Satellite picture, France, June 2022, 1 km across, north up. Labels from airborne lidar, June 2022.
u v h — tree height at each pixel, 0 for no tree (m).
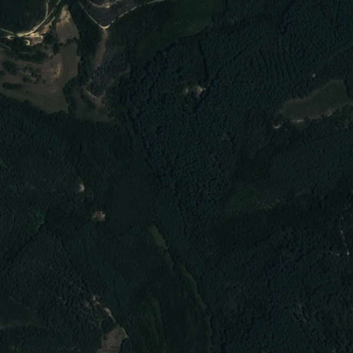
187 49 33
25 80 13
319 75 16
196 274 22
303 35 24
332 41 28
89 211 19
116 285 34
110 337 0
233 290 25
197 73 6
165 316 16
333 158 31
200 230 22
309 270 29
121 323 12
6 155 20
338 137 29
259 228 24
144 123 36
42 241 25
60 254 24
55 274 21
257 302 19
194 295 22
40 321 0
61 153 34
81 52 19
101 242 34
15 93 0
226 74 34
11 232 15
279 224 24
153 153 32
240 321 7
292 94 28
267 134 8
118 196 26
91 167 25
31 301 25
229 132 31
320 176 32
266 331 34
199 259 25
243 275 25
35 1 16
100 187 21
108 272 26
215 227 16
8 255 24
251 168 16
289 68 29
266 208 7
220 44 36
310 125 7
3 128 25
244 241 23
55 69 0
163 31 16
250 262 30
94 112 0
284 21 19
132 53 21
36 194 24
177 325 16
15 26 10
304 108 0
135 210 27
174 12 14
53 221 20
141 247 23
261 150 7
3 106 28
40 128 30
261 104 31
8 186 14
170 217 22
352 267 22
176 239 29
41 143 40
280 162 31
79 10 16
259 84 25
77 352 18
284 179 31
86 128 26
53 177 22
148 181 28
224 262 28
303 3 33
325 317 15
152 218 22
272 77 24
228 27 23
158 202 30
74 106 24
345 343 28
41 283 19
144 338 13
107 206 20
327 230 17
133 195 28
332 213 15
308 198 19
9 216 17
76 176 9
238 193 15
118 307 16
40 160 22
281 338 28
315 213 21
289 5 7
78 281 29
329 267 20
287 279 24
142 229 27
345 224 13
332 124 13
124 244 28
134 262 26
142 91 34
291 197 18
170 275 22
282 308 32
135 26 11
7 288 27
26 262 28
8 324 0
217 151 34
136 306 21
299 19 28
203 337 11
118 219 25
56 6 10
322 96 0
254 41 33
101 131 26
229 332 15
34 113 22
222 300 29
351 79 21
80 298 13
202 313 12
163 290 19
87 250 34
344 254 12
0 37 12
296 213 21
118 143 20
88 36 14
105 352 0
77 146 27
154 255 27
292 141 15
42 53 12
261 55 12
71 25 0
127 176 26
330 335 10
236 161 28
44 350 24
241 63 35
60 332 20
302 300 13
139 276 24
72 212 18
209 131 33
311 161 30
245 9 31
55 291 13
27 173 18
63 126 31
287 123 10
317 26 25
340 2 21
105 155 35
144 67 7
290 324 32
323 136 15
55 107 0
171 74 24
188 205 28
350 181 17
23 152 30
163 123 36
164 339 13
